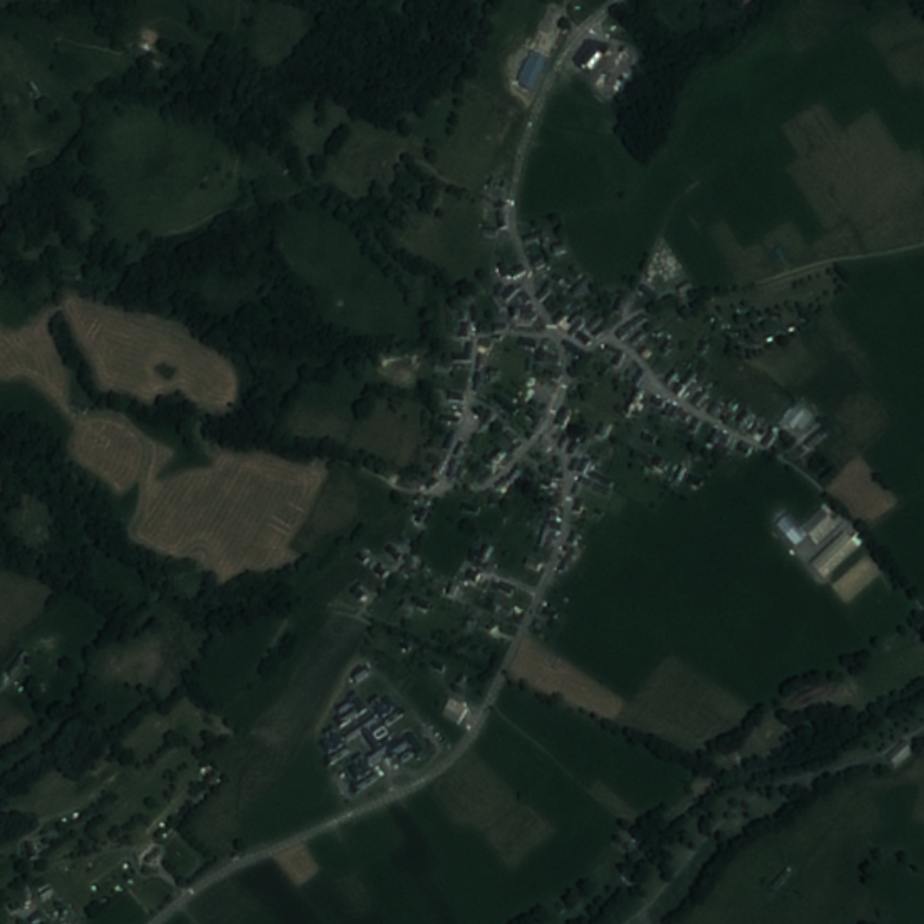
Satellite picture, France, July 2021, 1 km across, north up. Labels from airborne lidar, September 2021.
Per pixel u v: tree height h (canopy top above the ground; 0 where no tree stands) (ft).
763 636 0
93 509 58
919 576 0
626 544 0
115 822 0
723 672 0
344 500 0
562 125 0
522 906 0
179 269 30
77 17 21
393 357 94
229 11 0
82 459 0
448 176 0
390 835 0
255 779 0
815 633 0
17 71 0
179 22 0
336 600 0
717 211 0
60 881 0
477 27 76
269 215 66
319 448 52
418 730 0
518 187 0
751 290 21
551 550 0
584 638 0
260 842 0
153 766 51
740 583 0
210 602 54
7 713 0
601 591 0
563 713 0
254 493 0
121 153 0
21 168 0
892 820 0
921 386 0
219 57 72
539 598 0
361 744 0
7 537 71
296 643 42
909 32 0
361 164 0
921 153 0
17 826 64
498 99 0
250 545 0
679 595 0
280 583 40
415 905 0
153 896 0
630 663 0
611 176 0
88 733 88
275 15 0
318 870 0
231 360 32
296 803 0
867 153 0
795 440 27
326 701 0
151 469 0
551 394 0
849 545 0
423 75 87
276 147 60
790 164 0
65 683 0
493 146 0
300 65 67
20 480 35
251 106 50
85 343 0
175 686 0
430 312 72
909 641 0
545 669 0
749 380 0
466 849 0
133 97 51
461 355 0
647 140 63
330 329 47
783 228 0
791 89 0
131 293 64
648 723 0
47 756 62
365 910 0
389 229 19
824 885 0
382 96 94
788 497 0
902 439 0
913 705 62
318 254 0
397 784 0
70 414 0
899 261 0
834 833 0
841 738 72
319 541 0
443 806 0
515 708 0
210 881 0
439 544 0
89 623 0
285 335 25
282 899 0
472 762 0
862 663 49
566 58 0
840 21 0
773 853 0
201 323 63
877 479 46
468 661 17
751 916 0
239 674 0
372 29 81
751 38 0
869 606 0
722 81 0
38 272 73
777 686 0
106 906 29
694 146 0
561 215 22
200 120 52
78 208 0
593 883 61
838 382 0
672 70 64
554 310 23
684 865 0
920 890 0
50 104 58
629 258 0
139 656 0
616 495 0
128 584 0
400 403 25
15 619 0
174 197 0
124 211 0
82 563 77
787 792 65
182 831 47
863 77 0
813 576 0
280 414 35
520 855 0
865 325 0
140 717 75
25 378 0
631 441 0
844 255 0
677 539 0
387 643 0
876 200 0
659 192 0
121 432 0
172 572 54
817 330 0
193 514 0
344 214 62
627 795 0
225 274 27
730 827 0
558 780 0
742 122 0
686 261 0
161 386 0
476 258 0
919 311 0
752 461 0
